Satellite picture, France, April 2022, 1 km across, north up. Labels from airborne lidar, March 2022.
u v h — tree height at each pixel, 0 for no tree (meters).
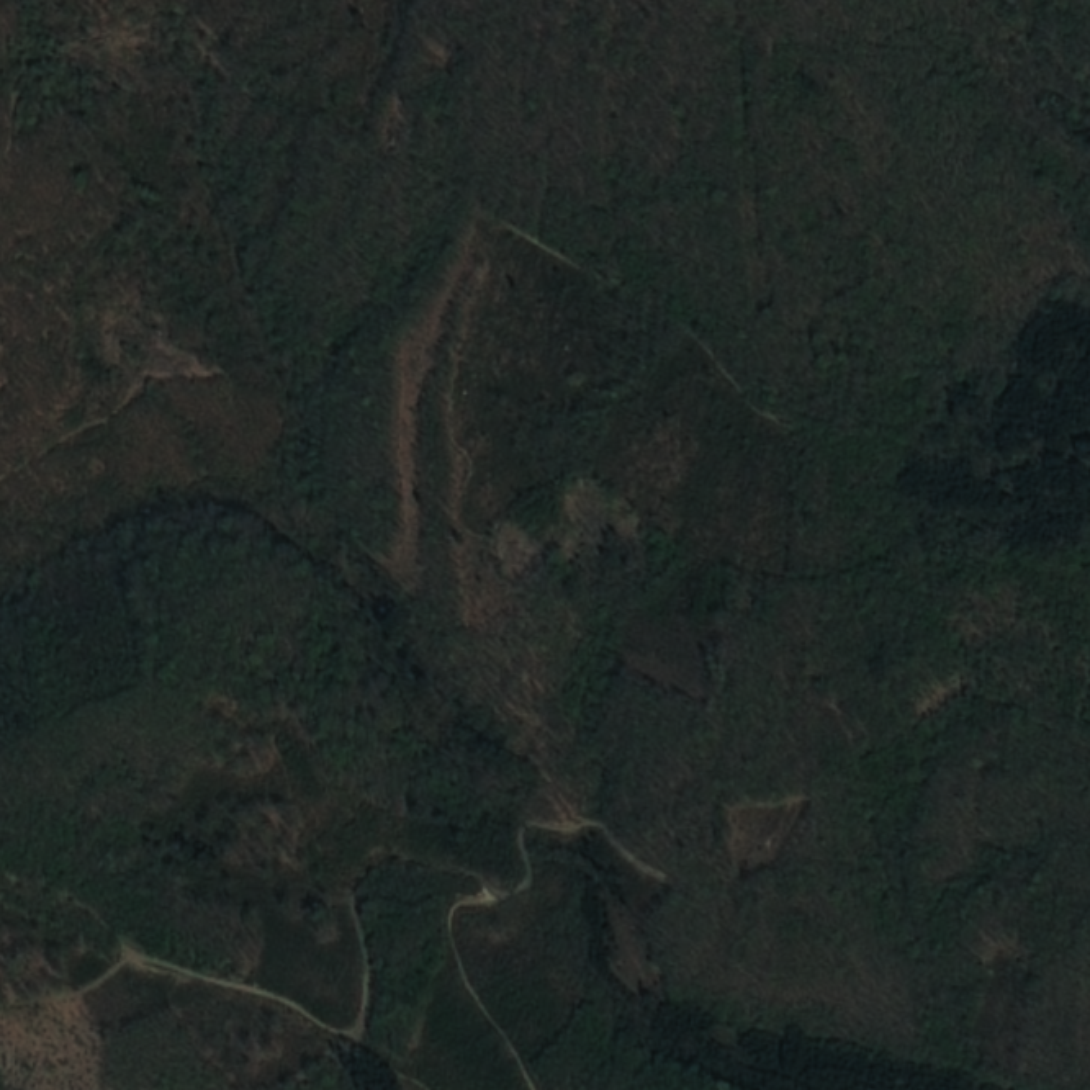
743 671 21
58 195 13
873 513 19
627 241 18
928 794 27
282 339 18
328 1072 17
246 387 8
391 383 24
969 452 16
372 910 25
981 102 26
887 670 21
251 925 20
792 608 19
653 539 16
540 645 21
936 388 21
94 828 22
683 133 24
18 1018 0
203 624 24
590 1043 12
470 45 28
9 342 10
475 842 9
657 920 24
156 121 8
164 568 22
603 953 11
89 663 14
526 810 21
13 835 24
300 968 0
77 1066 0
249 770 29
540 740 22
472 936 0
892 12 23
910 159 19
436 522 17
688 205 25
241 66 25
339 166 28
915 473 21
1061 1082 20
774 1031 16
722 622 25
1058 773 23
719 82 22
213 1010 0
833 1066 11
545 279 0
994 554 23
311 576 28
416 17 30
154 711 22
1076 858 21
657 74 27
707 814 28
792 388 19
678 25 24
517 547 0
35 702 16
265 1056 21
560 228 24
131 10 15
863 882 23
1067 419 21
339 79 8
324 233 24
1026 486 22
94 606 12
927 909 23
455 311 17
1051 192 27
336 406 25
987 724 19
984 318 19
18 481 12
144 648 24
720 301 21
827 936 19
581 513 18
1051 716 20
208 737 25
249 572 28
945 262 19
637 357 22
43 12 16
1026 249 18
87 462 7
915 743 21
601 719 23
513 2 22
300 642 26
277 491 12
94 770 25
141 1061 17
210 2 15
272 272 26
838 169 18
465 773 24
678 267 24
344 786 6
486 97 27
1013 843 25
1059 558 22
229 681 26
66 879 19
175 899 21
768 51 21
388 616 26
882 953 20
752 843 0
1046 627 14
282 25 14
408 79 28
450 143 22
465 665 23
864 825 33
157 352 0
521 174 26
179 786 27
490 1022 0
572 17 22
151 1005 0
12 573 15
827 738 21
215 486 11
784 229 21
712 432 21
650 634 0
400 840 10
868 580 21
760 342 22
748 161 15
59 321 8
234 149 20
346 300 27
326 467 24
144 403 14
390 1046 20
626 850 26
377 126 19
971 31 25
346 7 21
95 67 24
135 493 13
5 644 19
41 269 9
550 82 27
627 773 25
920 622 22
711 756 20
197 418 11
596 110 27
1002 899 19
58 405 15
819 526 17
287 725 5
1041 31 28
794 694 21
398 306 26
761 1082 11
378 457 23
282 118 18
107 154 17
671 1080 24
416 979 23
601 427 13
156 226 15
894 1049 19
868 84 19
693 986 16
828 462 18
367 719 33
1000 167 27
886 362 22
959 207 20
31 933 25
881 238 16
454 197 22
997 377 20
